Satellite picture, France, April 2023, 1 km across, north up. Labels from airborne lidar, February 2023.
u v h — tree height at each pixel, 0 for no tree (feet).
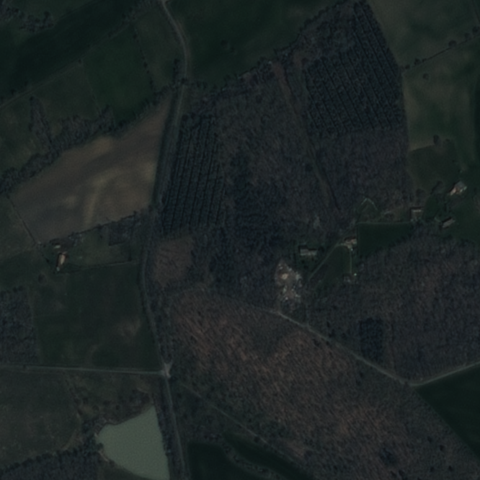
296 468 41
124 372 0
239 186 71
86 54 0
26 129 0
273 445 45
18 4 0
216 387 56
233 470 0
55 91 0
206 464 0
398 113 51
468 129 0
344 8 50
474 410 0
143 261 42
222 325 61
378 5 0
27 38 0
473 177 0
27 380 0
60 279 0
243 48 0
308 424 70
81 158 0
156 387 0
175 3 0
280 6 0
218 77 0
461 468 25
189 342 63
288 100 59
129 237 19
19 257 0
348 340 63
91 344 0
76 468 71
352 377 45
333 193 44
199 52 0
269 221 73
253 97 77
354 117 43
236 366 55
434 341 73
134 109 0
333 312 35
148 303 57
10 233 0
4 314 18
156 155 0
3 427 0
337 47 30
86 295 0
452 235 0
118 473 0
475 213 0
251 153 64
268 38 0
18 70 0
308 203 66
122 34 0
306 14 0
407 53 0
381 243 0
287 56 31
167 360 45
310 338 54
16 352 45
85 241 0
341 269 0
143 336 0
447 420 0
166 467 0
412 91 0
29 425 0
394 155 56
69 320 0
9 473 64
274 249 79
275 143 60
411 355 72
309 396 63
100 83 0
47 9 0
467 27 0
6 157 0
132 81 0
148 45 0
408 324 62
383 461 65
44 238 0
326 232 28
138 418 0
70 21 0
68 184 0
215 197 50
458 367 37
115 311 0
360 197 38
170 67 0
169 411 63
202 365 70
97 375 0
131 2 0
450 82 0
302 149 75
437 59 0
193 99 50
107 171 0
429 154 0
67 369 0
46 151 50
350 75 44
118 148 0
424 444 39
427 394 0
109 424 0
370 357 59
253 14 0
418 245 59
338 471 65
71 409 0
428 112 0
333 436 59
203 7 0
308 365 59
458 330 51
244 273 81
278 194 60
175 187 51
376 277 39
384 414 44
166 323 59
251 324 39
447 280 78
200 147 39
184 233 43
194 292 49
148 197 0
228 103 70
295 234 52
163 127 0
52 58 0
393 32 0
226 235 81
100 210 0
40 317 0
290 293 0
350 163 42
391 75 48
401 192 37
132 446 0
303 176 73
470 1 0
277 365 56
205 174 46
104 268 0
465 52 0
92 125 58
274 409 63
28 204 0
